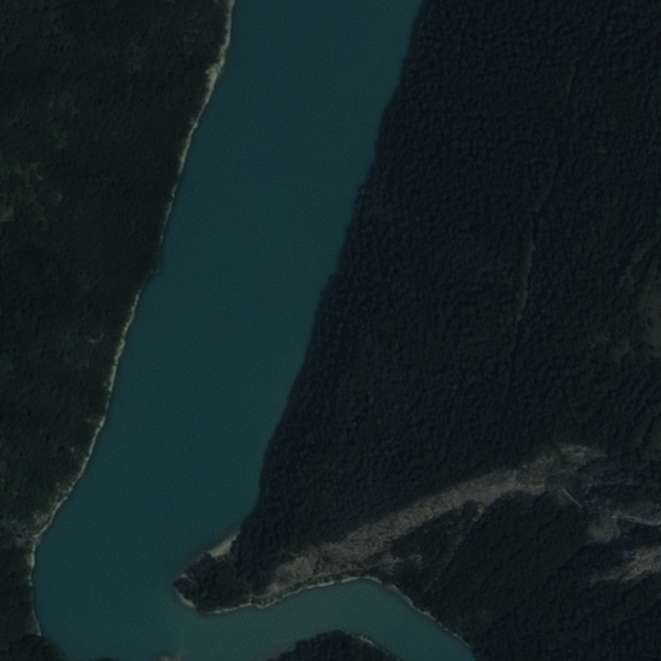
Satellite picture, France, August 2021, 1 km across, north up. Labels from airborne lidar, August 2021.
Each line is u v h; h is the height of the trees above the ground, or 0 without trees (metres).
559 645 24
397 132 19
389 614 0
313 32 0
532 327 14
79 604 0
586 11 24
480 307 17
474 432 18
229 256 0
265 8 0
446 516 11
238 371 0
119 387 0
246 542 10
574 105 19
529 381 17
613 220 13
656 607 11
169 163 12
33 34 11
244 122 0
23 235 12
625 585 13
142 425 0
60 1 13
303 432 17
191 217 0
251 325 0
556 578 20
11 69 22
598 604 15
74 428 10
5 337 18
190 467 0
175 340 0
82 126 15
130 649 0
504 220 26
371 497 12
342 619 0
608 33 25
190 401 0
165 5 12
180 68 14
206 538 0
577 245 22
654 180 10
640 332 7
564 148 6
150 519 0
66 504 0
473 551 15
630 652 21
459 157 20
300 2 0
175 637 0
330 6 0
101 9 10
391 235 17
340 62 0
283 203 0
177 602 0
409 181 21
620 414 13
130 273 13
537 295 11
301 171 0
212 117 0
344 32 0
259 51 0
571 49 22
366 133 0
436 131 20
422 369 12
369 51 0
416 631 0
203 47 12
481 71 17
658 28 21
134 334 0
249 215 0
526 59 22
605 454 6
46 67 15
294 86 0
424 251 19
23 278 22
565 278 12
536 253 8
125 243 14
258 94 0
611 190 15
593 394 22
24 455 12
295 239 0
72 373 12
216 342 0
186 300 0
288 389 0
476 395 14
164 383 0
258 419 0
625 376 9
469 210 32
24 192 6
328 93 0
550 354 9
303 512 12
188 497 0
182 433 0
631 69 19
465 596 15
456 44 22
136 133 12
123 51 10
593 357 9
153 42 15
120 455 0
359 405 14
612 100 17
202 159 0
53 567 0
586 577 8
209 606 8
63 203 8
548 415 16
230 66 0
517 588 16
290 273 0
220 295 0
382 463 16
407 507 6
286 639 0
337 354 13
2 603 18
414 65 14
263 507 15
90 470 0
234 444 0
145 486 0
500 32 29
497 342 11
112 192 12
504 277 15
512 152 25
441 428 11
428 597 11
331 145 0
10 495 10
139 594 0
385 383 14
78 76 10
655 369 14
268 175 0
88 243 14
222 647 0
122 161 15
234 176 0
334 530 8
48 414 11
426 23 11
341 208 0
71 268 16
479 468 14
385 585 11
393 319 15
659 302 0
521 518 8
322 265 0
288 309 0
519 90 17
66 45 10
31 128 14
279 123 0
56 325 11
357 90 0
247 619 0
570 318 15
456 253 13
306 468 17
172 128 14
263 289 0
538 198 15
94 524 0
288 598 0
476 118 20
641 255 8
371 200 11
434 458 11
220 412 0
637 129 13
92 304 16
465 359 14
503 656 17
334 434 12
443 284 17
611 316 13
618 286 21
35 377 15
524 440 16
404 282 14
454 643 0
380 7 0
